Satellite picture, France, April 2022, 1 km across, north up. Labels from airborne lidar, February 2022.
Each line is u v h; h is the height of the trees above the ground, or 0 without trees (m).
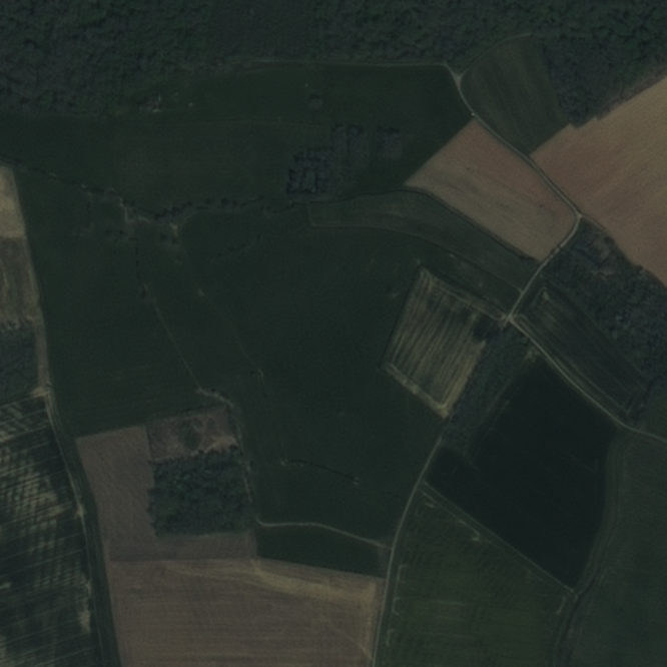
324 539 0
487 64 0
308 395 0
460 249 0
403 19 10
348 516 0
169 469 18
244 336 0
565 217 0
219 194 0
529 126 0
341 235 0
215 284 0
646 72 23
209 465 17
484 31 26
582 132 0
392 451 0
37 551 0
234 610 0
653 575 0
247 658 0
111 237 13
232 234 0
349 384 0
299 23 15
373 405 0
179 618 0
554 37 23
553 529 0
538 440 0
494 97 0
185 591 0
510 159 0
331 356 0
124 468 0
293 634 0
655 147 0
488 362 20
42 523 0
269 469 0
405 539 0
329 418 0
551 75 10
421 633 0
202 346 0
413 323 0
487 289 0
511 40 0
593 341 0
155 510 20
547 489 0
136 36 25
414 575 0
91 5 22
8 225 0
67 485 0
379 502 0
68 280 0
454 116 0
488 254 0
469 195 0
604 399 0
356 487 0
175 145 0
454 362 0
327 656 0
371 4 24
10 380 28
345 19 24
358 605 0
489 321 0
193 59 28
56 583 0
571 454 0
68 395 0
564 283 16
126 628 0
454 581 0
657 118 0
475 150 0
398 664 0
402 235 0
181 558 0
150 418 19
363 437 0
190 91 0
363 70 0
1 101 16
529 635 0
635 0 22
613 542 0
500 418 0
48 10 26
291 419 0
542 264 0
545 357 0
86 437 0
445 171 0
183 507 27
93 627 0
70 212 0
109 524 0
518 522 0
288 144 0
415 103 0
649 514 0
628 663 0
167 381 0
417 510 0
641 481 0
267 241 0
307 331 0
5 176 0
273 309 0
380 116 0
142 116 0
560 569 0
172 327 0
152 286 0
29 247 0
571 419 0
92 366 0
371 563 0
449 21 29
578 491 0
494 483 0
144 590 0
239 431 8
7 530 0
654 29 20
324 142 0
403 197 0
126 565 0
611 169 0
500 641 0
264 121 0
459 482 0
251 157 0
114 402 0
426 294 0
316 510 0
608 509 0
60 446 0
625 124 0
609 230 0
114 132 0
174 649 0
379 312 0
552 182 0
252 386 0
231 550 0
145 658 0
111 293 0
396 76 0
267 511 0
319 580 0
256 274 0
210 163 0
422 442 0
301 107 0
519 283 0
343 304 0
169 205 0
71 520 0
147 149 0
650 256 0
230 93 0
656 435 0
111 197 14
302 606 0
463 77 0
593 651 0
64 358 0
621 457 0
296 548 0
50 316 0
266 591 0
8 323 0
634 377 0
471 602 0
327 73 0
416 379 0
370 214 0
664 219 0
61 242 0
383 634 0
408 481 0
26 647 0
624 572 0
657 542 0
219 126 0
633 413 0
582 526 0
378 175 0
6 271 0
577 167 0
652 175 0
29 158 0
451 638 0
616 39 26
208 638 0
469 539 0
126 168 0
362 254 0
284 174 0
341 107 0
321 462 0
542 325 0
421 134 0
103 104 27
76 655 0
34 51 29
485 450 0
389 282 0
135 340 0
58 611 0
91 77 28
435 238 0
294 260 0
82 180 0
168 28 26
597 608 0
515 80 0
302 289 0
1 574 0
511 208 0
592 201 0
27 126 0
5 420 0
